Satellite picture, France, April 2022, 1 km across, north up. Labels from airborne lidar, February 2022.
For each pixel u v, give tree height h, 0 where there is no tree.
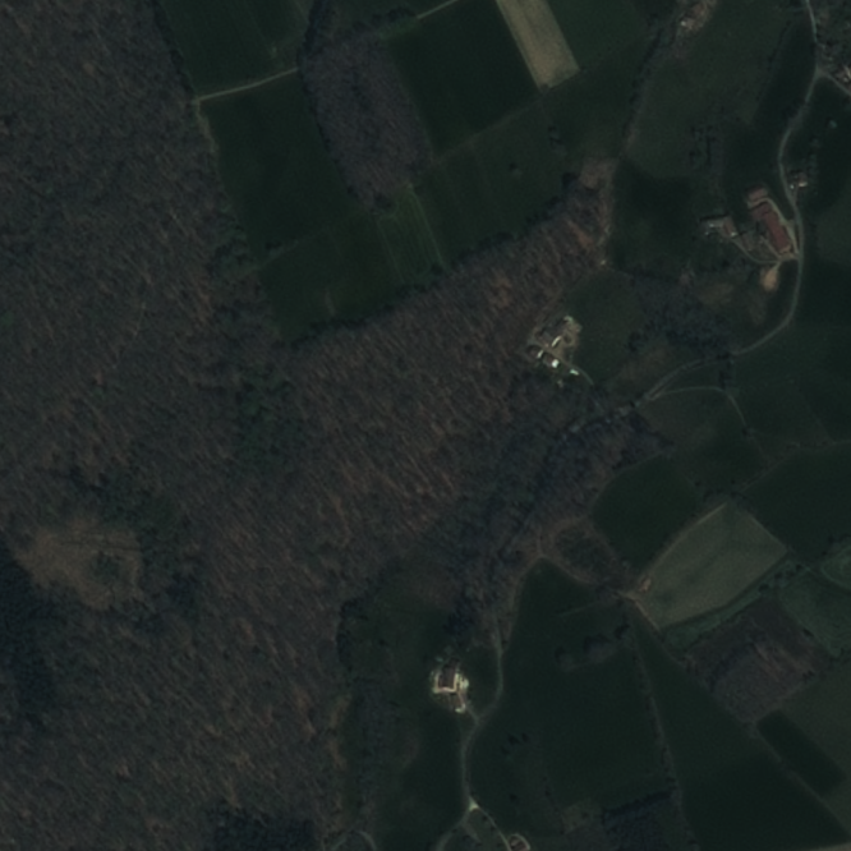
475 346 27
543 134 0
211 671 26
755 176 0
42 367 27
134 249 25
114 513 22
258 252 0
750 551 0
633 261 0
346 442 24
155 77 31
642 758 0
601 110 0
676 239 0
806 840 0
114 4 30
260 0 0
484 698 0
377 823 0
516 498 22
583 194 29
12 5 25
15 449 26
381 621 0
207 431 29
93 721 24
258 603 30
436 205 0
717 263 0
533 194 0
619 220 0
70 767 25
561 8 0
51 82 22
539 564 0
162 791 26
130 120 28
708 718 0
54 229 20
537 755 0
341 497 33
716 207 0
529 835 0
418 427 28
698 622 0
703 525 0
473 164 0
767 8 0
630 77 0
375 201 25
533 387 28
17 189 27
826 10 17
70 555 0
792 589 0
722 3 0
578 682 0
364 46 28
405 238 0
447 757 0
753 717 23
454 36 0
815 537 0
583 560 0
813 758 0
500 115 0
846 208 0
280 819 25
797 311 0
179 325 25
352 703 0
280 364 31
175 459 26
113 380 26
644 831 22
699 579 0
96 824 26
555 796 8
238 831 20
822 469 0
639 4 0
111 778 26
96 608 0
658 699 0
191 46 0
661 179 0
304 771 30
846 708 0
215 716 27
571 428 0
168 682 28
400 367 29
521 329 9
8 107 23
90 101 24
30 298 25
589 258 29
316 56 27
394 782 0
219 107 0
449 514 21
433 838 0
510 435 25
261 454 27
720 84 0
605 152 0
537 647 0
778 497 0
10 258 27
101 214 28
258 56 0
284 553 31
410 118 31
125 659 26
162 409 28
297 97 0
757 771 0
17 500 25
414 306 33
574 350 0
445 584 0
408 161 31
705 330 20
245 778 26
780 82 0
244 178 0
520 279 29
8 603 26
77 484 19
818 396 0
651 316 18
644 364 0
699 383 0
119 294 25
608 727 0
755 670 26
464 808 0
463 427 24
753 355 0
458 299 32
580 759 0
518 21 0
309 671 29
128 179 25
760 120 0
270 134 0
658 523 0
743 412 0
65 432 28
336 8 25
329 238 0
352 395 28
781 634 0
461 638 24
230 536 29
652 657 0
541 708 0
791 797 0
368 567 28
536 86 0
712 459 0
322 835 27
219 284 28
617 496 0
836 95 0
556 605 0
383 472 28
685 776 0
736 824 0
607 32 0
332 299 0
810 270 0
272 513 30
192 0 0
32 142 25
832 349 0
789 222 0
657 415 0
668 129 0
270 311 13
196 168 28
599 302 0
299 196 0
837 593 0
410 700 0
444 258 0
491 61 0
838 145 0
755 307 0
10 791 31
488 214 0
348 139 31
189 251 26
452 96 0
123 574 15
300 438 29
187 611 35
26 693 25
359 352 28
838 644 0
